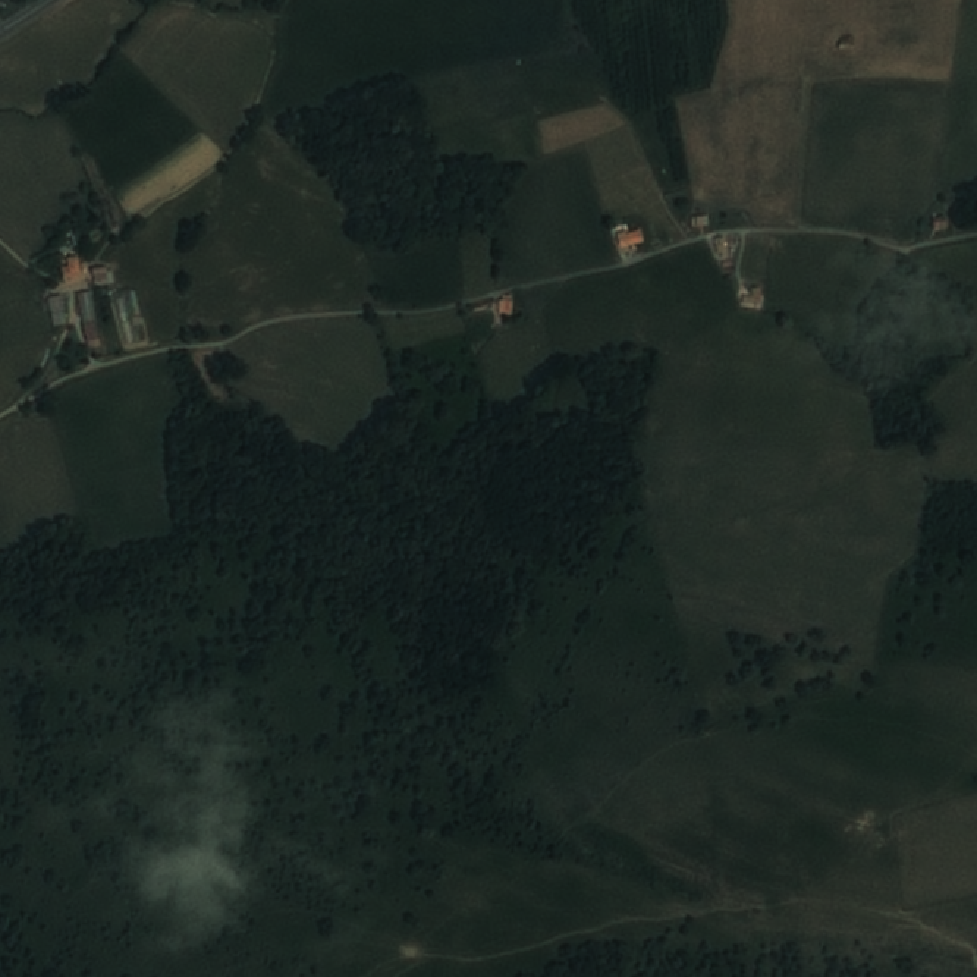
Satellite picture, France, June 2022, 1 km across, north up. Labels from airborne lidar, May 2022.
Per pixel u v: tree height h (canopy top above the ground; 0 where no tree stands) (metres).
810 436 0
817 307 0
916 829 0
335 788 7
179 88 0
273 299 0
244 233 0
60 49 0
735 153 0
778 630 0
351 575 17
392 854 0
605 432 21
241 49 0
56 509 0
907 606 0
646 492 0
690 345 0
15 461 0
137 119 0
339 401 0
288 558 20
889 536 0
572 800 0
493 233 18
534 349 0
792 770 0
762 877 0
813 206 0
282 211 0
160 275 0
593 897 0
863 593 0
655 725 0
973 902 0
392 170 21
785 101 0
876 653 0
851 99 0
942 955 0
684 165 8
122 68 0
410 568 19
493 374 0
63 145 0
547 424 22
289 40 0
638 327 0
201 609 12
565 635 0
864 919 0
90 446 0
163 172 0
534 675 0
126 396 0
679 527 0
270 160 0
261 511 22
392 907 0
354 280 0
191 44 0
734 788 0
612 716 0
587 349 0
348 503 13
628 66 7
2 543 0
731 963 12
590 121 0
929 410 14
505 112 0
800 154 0
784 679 0
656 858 0
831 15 0
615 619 0
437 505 18
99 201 11
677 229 0
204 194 0
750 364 0
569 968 10
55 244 6
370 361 0
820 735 0
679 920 0
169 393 0
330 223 0
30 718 13
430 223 20
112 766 7
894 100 0
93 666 0
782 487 0
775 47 0
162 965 0
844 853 0
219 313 0
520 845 9
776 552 0
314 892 8
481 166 20
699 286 0
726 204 0
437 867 8
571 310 0
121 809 12
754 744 0
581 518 18
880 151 0
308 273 0
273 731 7
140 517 0
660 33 7
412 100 27
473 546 15
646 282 0
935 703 0
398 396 9
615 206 0
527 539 19
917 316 0
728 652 0
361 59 0
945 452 0
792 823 0
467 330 0
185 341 18
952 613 0
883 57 0
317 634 0
